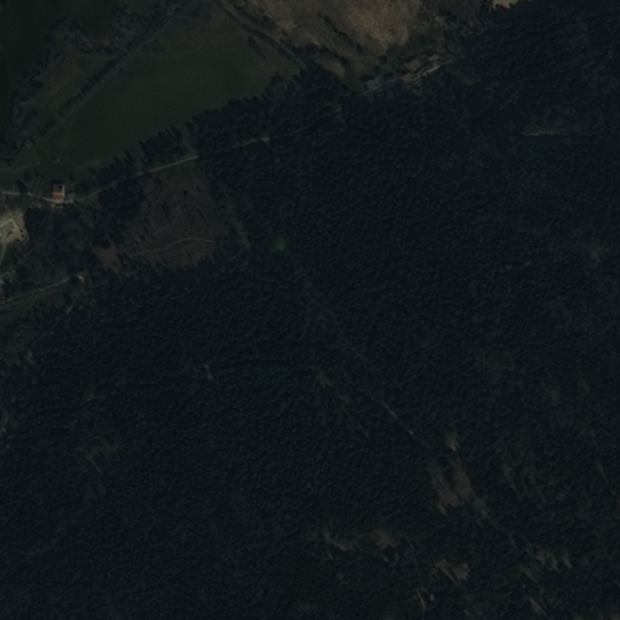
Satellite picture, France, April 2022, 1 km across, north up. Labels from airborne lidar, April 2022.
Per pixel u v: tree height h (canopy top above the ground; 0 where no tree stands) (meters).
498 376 22
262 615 20
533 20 34
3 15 0
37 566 27
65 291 7
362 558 22
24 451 33
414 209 31
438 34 0
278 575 13
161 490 29
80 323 16
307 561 15
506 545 22
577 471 20
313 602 13
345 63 17
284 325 34
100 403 34
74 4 0
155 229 0
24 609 32
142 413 34
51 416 31
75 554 26
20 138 20
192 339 32
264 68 0
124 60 14
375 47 0
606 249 26
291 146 30
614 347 19
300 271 27
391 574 19
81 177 0
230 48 0
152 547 32
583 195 24
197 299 32
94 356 28
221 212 0
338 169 28
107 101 0
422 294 26
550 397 25
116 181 20
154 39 16
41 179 17
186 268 0
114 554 31
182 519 30
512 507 31
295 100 28
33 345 11
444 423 28
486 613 14
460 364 29
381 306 32
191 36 0
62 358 28
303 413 31
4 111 0
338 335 27
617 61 15
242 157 32
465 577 0
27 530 26
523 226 26
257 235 29
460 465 0
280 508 28
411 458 41
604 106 27
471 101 17
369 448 24
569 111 28
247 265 29
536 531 27
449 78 7
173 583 24
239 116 32
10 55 0
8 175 0
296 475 29
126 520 33
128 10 13
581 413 18
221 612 32
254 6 0
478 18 11
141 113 0
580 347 22
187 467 31
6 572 28
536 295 25
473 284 30
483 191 29
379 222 29
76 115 0
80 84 0
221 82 0
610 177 25
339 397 24
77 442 28
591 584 35
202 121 0
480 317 25
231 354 29
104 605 30
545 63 20
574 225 25
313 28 0
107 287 7
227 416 29
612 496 28
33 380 24
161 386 29
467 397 29
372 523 28
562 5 24
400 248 27
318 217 35
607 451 22
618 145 23
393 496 27
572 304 23
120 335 33
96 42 0
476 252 27
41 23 0
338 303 31
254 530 30
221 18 0
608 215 25
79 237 20
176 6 15
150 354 27
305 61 12
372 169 28
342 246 34
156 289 27
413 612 14
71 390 35
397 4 0
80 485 26
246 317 28
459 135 9
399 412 26
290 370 27
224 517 28
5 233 0
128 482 29
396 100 7
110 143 0
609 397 24
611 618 32
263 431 26
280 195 31
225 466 29
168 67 0
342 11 0
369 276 34
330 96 32
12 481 31
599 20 19
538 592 27
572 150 24
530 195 29
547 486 8
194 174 0
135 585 27
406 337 28
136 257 0
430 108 16
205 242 0
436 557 35
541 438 29
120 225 24
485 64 34
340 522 27
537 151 13
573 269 25
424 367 29
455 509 0
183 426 31
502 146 24
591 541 28
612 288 23
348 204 29
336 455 28
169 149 31
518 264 25
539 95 17
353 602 18
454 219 30
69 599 29
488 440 22
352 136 26
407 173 31
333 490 31
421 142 17
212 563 25
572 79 13
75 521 27
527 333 28
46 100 0
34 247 16
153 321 32
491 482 27
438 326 30
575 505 28
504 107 14
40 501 32
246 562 25
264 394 30
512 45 32
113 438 30
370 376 31
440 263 28
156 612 29
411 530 32
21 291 19
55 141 0
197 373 31
